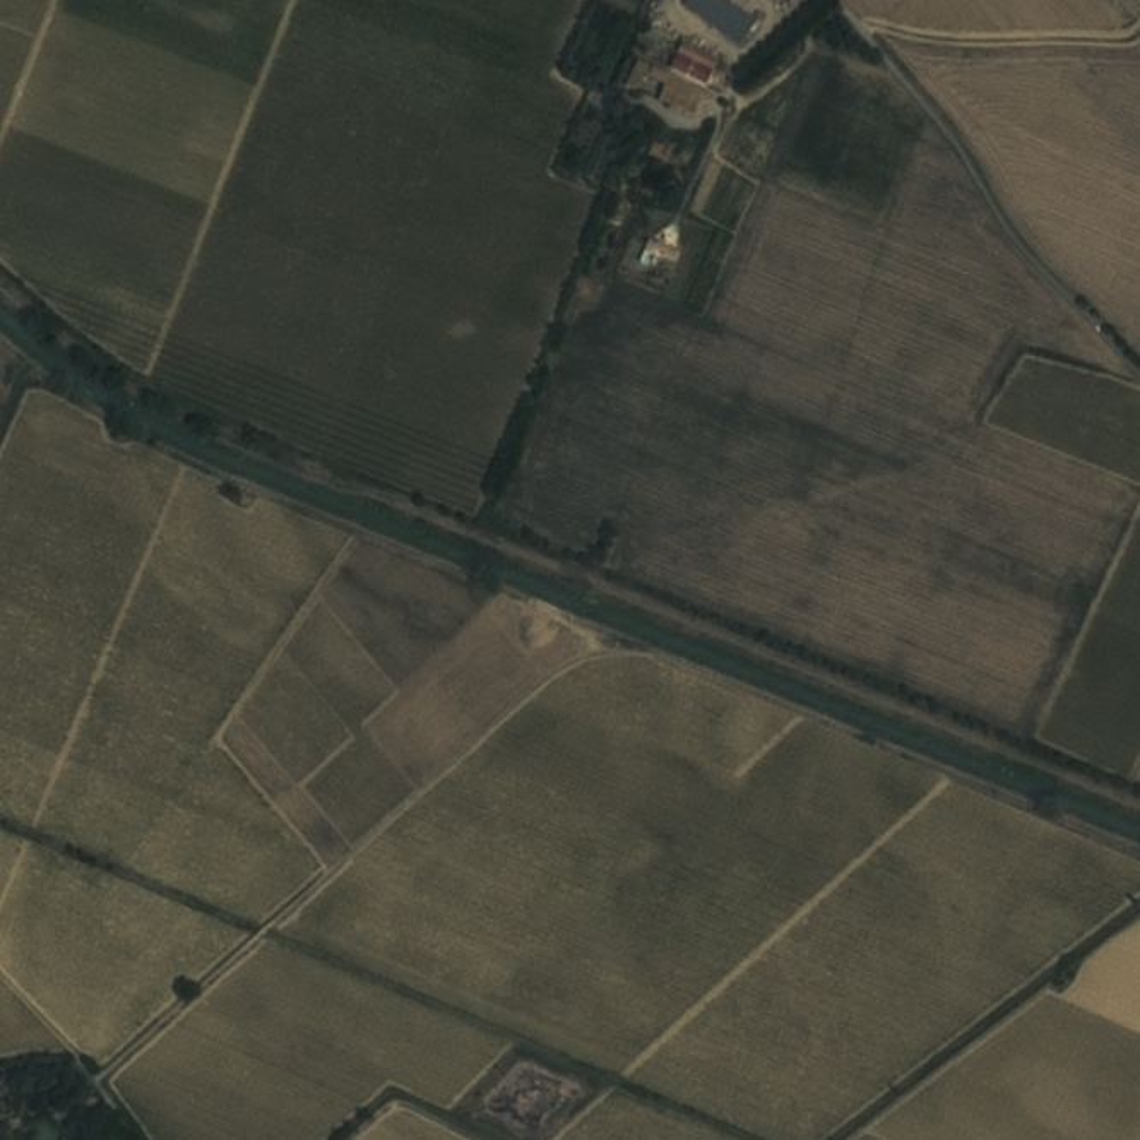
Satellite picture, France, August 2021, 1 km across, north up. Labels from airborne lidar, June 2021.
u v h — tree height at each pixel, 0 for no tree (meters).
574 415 0
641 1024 0
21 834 0
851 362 0
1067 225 0
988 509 0
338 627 0
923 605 0
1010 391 0
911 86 0
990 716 0
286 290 0
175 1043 0
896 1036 0
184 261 0
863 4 0
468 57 0
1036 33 0
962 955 0
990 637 0
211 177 0
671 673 0
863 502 0
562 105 0
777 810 0
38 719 0
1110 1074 0
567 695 0
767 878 0
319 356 0
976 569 0
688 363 0
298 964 0
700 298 0
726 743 0
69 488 0
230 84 0
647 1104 0
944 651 0
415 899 0
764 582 0
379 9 0
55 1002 0
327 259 0
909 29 0
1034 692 0
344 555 0
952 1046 0
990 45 0
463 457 0
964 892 0
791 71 0
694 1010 0
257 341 0
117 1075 0
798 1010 0
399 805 0
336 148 0
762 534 0
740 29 0
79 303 0
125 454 0
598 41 10
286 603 0
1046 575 0
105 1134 26
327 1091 0
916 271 0
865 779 0
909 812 0
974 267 0
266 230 0
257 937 0
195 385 0
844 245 0
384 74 0
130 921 0
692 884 0
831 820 0
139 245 0
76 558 0
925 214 0
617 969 0
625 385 0
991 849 0
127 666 0
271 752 0
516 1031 0
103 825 0
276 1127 0
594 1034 0
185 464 0
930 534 0
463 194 0
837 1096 0
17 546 0
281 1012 0
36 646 0
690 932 0
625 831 0
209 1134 0
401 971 0
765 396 0
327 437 0
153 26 0
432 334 0
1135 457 0
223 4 0
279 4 0
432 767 0
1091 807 0
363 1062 0
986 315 0
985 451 0
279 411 0
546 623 0
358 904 0
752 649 0
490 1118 0
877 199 0
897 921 0
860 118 0
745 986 0
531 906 0
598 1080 0
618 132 10
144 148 0
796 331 0
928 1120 0
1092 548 0
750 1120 0
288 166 0
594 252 13
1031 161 0
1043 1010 0
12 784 0
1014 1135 0
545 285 0
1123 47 0
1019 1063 0
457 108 0
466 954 0
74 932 0
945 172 0
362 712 0
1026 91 0
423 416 0
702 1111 0
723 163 0
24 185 0
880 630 0
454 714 0
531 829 0
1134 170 0
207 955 0
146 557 0
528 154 0
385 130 0
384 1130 0
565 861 0
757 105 0
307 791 0
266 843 0
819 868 0
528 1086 0
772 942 0
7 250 0
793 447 0
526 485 0
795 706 0
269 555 0
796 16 12
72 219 0
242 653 0
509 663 0
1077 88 0
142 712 0
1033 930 0
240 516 0
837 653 0
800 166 0
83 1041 0
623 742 0
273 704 0
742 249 0
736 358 0
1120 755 0
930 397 0
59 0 0
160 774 0
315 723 0
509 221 0
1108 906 0
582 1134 0
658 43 0
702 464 0
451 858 0
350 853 0
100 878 0
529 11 0
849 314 0
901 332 0
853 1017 0
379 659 0
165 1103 0
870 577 0
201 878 0
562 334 12
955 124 0
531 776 0
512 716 0
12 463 0
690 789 0
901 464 0
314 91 0
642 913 0
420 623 0
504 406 0
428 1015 0
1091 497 0
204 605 0
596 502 0
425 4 0
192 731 0
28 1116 6
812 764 0
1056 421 0
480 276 0
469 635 0
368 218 0
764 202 0
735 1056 0
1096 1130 0
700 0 0
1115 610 0
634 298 0
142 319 0
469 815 0
